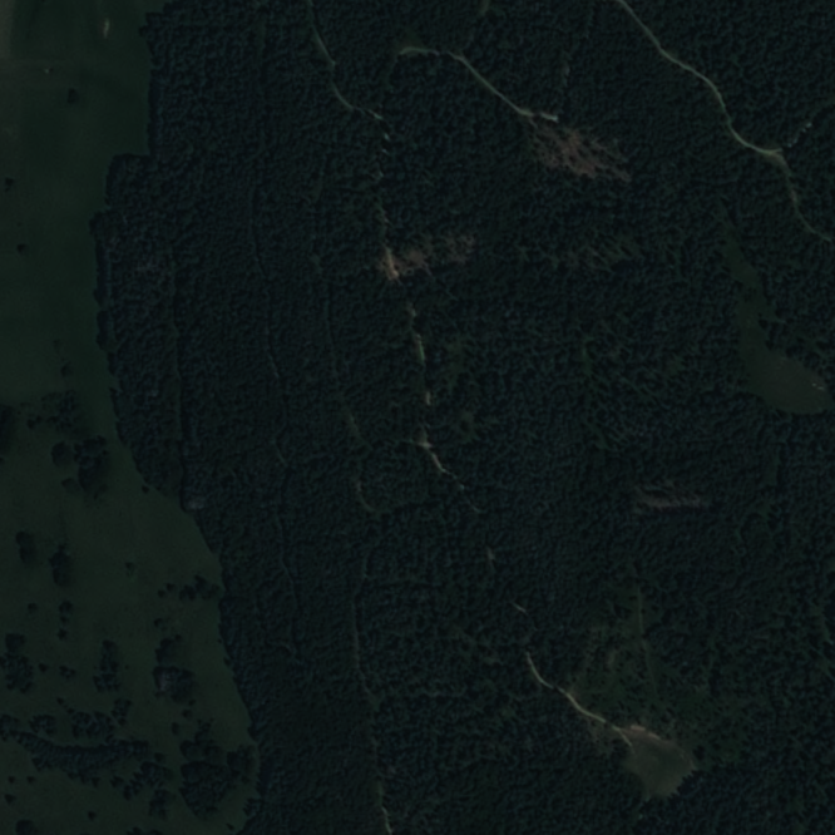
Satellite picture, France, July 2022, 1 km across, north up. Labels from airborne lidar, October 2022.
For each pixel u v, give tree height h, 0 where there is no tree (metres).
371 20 26
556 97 22
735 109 15
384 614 21
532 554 21
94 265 0
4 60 0
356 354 13
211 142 27
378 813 18
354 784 16
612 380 23
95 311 0
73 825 0
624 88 25
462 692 9
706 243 16
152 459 27
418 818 21
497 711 26
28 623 0
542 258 22
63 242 0
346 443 16
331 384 14
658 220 13
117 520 0
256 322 19
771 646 8
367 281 23
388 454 16
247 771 17
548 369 26
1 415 13
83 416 8
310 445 18
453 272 22
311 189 21
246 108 27
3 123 0
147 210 24
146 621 0
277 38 16
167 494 21
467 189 22
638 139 17
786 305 15
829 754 37
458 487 21
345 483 18
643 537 20
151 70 0
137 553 0
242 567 27
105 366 0
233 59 20
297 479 19
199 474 33
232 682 0
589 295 27
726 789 30
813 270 18
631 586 11
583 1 19
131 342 24
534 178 23
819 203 15
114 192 22
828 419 17
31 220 0
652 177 19
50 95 0
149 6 0
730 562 12
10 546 0
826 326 20
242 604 28
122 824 0
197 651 0
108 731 20
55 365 0
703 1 14
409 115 26
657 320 18
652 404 9
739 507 23
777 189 11
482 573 27
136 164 20
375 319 22
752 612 15
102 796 0
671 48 16
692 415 22
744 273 0
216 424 22
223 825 0
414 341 12
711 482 19
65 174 0
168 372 23
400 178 24
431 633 21
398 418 22
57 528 0
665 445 33
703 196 28
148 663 0
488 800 22
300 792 31
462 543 23
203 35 21
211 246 28
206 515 20
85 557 0
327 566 16
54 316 0
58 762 24
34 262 0
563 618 23
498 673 22
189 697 19
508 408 24
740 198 19
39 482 0
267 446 16
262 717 29
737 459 25
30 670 16
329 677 19
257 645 26
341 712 21
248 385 24
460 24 17
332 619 18
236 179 24
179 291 23
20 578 0
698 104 22
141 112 0
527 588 18
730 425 26
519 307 17
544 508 20
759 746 18
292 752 22
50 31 0
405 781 17
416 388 14
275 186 23
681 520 25
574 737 24
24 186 0
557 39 19
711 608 25
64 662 0
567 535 21
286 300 23
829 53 19
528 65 19
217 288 25
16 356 0
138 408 13
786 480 21
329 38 13
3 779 0
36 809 0
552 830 16
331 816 22
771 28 26
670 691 7
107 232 24
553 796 18
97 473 23
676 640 16
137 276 27
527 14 19
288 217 18
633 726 0
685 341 15
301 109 20
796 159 18
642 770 0
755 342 0
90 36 0
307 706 27
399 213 31
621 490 20
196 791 21
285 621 19
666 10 17
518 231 27
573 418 34
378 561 22
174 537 0
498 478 27
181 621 0
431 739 15
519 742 26
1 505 0
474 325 26
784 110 25
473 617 26
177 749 0
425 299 32
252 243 16
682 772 0
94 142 0
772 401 0
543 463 20
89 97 0
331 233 24
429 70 30
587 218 29
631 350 19
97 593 0
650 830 23
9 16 0
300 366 21
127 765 8
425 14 28
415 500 22
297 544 19
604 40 20
